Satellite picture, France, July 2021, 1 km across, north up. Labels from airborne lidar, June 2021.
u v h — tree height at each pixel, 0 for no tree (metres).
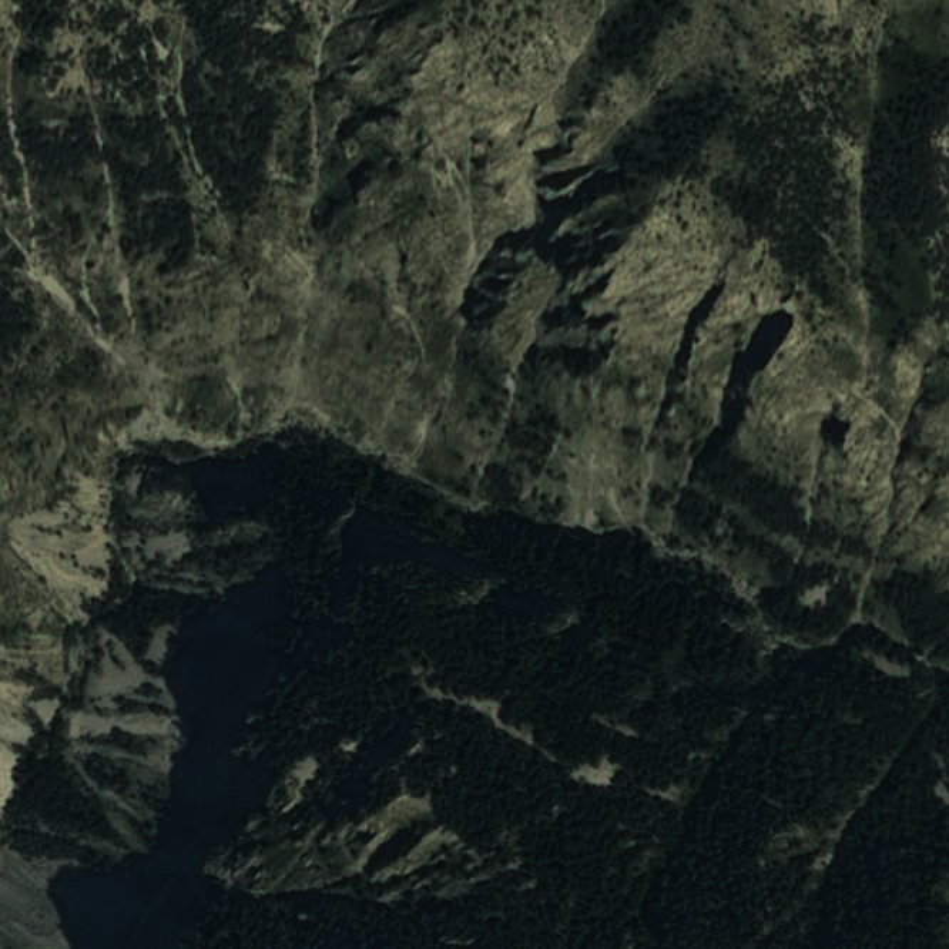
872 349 0
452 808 21
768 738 17
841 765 11
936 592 16
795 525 16
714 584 10
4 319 9
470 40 0
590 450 0
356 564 13
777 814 18
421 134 7
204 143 14
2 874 0
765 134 7
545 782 16
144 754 7
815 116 7
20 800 14
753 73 0
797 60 0
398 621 17
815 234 9
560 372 8
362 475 21
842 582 8
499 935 23
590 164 0
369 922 17
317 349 0
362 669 23
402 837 8
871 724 13
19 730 0
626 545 28
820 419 0
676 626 15
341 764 13
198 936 22
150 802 7
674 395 8
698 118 9
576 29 0
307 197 0
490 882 9
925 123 11
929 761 15
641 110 0
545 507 13
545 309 0
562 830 21
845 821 0
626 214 0
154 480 7
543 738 23
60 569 0
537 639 18
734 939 20
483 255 0
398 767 7
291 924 17
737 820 22
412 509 28
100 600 14
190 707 0
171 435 0
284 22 11
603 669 20
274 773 9
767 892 11
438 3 0
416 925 10
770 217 7
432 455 0
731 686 10
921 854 8
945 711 12
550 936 14
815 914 8
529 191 0
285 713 18
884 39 0
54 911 0
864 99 0
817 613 14
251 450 9
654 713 19
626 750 21
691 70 0
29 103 8
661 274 0
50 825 7
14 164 8
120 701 8
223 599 10
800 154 9
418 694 20
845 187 7
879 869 19
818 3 0
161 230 14
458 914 25
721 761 34
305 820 8
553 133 0
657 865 8
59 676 0
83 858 8
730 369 0
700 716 20
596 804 18
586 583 25
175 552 0
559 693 18
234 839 9
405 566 17
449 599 10
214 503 17
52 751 8
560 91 0
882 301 9
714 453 14
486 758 23
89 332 0
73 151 12
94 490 0
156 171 12
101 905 0
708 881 14
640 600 14
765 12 0
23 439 5
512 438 9
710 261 0
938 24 0
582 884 22
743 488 8
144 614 15
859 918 22
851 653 16
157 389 0
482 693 17
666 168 10
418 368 0
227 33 12
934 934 10
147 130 7
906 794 13
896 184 14
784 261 8
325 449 16
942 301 9
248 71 7
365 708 16
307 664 24
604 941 27
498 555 25
